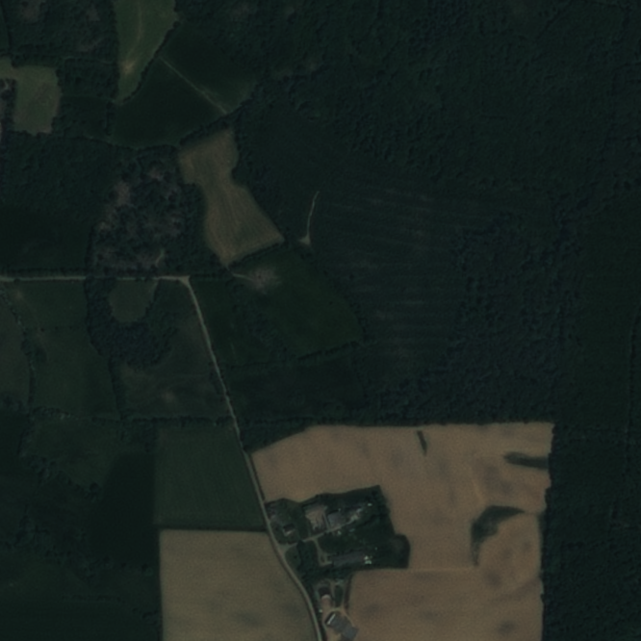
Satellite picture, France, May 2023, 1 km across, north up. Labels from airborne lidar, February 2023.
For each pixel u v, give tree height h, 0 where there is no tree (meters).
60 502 0
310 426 10
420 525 0
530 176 12
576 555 12
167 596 0
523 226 16
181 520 0
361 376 9
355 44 10
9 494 0
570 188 16
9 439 0
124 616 0
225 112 0
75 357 0
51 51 8
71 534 0
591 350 13
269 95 17
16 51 10
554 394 20
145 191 21
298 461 0
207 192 0
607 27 9
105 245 18
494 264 22
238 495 0
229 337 0
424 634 0
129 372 0
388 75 6
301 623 0
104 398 0
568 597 14
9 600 0
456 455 0
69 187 16
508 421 24
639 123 26
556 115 10
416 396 25
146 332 25
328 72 18
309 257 15
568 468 15
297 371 0
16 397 0
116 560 0
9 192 17
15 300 0
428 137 7
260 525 0
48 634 0
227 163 0
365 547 0
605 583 15
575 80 11
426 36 19
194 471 0
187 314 0
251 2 9
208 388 0
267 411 0
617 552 17
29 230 0
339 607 0
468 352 27
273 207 18
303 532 0
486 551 0
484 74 11
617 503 14
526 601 0
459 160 15
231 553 0
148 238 22
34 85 0
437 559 0
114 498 0
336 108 14
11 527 0
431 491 0
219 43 12
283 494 0
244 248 0
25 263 0
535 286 21
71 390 0
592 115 11
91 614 0
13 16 12
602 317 13
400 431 0
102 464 0
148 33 0
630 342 13
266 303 0
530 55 12
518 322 18
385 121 16
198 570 0
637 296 13
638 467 13
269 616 0
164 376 0
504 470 0
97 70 11
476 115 17
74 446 0
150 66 9
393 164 20
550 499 16
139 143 0
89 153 14
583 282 14
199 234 11
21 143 18
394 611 0
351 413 5
